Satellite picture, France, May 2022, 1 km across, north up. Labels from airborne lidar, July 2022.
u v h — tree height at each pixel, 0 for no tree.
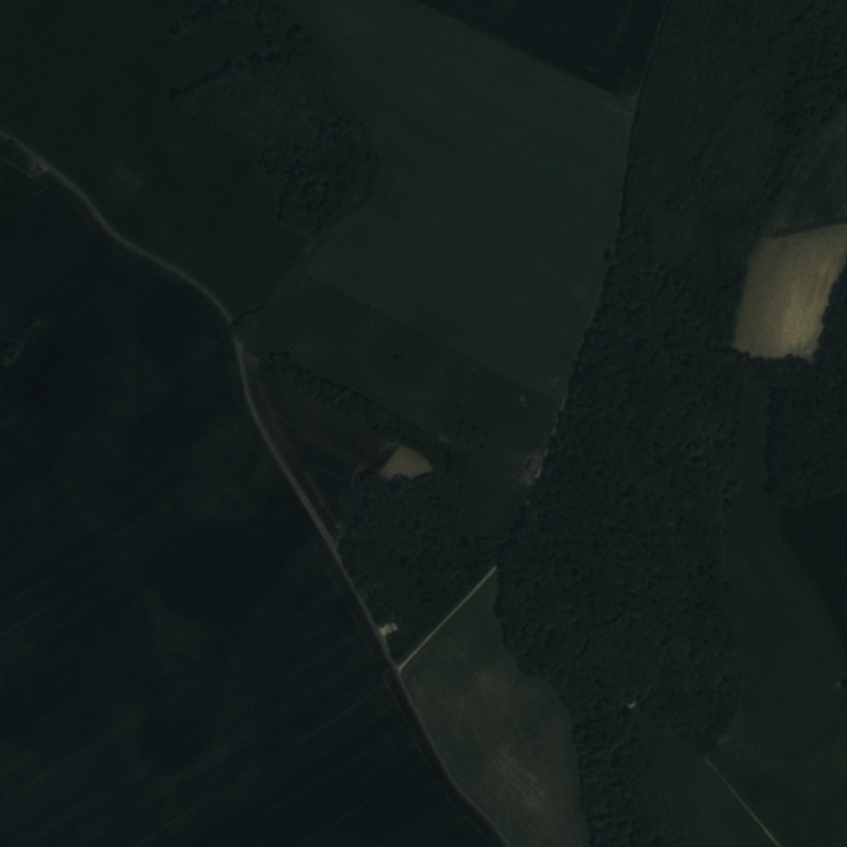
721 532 20
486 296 0
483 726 0
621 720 17
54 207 0
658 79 13
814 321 0
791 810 0
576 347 0
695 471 22
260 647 0
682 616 21
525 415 0
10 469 0
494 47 0
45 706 0
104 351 0
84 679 0
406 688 0
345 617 0
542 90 0
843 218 0
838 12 21
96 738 0
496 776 0
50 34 0
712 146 17
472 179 0
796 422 25
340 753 0
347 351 0
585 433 15
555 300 0
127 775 0
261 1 24
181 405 0
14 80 0
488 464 0
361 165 19
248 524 0
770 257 0
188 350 0
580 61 0
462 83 0
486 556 6
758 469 0
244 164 0
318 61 16
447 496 10
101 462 0
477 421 0
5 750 0
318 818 0
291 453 0
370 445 0
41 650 0
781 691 0
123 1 0
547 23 0
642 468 19
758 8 10
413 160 0
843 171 0
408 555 22
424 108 0
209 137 0
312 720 0
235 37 0
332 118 14
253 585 0
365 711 0
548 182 0
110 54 0
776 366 21
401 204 0
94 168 0
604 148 0
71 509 0
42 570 0
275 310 0
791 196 0
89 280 0
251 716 0
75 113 0
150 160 0
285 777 0
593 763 13
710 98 15
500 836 0
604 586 13
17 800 0
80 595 0
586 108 0
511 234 0
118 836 0
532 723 0
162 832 0
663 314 21
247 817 0
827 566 0
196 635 0
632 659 20
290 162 10
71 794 0
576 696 17
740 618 0
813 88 15
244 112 18
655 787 24
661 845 20
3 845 0
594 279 0
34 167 0
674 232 16
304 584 0
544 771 0
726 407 29
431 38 0
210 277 0
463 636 0
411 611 11
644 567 14
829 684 0
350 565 18
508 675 0
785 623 0
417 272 0
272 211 0
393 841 0
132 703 0
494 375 0
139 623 0
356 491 0
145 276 0
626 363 22
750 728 0
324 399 16
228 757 0
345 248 0
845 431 22
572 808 0
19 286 0
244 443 0
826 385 24
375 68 0
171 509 0
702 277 12
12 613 0
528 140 0
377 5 0
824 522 0
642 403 23
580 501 20
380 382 0
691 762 0
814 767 0
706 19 14
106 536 0
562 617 25
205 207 0
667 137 14
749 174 16
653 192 15
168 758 0
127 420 0
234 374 0
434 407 0
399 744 0
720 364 24
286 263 0
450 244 0
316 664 0
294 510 0
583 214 0
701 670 17
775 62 16
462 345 0
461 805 0
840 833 0
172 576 0
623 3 0
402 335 0
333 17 0
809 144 18
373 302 0
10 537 0
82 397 0
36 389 0
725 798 0
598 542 17
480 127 0
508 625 18
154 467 0
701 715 24
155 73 0
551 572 19
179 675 0
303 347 0
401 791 0
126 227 0
